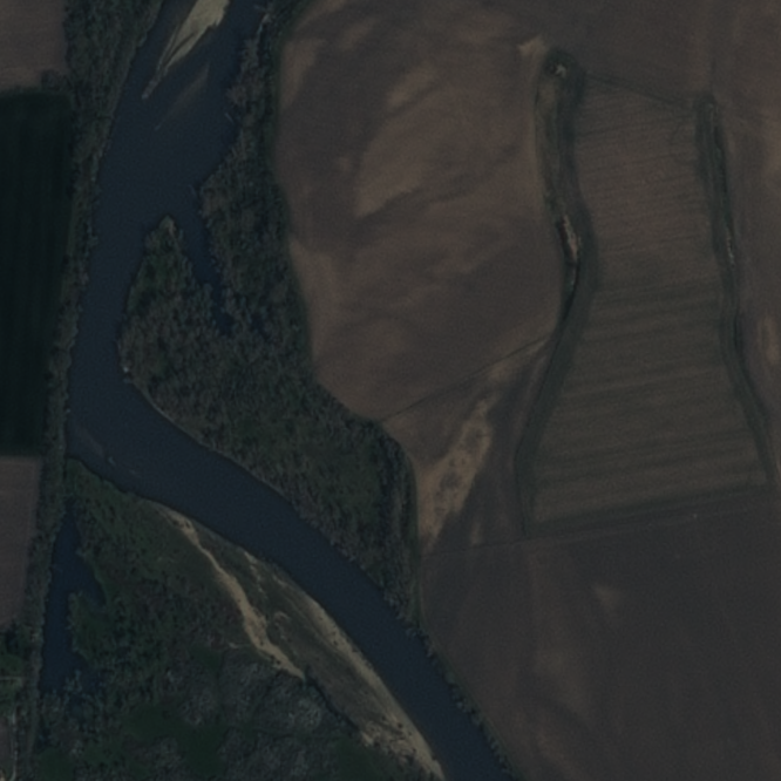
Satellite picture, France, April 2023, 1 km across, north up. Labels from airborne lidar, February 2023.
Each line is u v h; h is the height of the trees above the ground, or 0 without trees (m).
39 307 0
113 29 25
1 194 0
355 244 0
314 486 17
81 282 26
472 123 0
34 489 0
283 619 0
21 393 0
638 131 0
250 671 6
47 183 0
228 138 0
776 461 0
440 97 0
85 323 0
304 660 0
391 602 22
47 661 0
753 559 0
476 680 0
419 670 0
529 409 0
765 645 0
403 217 0
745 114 0
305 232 0
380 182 0
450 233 0
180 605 8
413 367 0
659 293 0
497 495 0
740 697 0
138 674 23
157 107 0
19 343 0
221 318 0
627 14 0
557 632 0
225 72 0
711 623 0
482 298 0
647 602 0
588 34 0
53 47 0
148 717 0
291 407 21
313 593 0
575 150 0
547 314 0
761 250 0
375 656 0
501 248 0
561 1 0
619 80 0
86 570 0
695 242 0
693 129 0
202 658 0
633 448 0
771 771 0
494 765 0
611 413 0
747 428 0
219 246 27
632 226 0
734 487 0
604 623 0
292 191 0
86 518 14
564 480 0
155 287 24
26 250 0
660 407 0
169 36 0
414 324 0
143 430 0
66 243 0
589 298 0
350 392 0
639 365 0
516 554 0
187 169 0
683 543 0
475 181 0
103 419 0
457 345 0
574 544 0
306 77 0
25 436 0
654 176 0
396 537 26
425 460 0
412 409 0
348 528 21
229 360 22
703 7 0
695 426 0
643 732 0
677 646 0
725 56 0
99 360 0
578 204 0
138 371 19
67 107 0
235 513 0
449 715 0
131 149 0
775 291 0
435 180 0
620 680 0
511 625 0
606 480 0
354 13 0
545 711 0
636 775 0
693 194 0
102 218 0
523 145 0
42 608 16
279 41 0
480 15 0
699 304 0
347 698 0
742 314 0
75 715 0
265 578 0
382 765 0
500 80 0
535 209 0
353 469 0
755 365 0
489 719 0
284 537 0
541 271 0
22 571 0
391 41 0
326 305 0
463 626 0
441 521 0
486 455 0
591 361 0
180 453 0
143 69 0
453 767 0
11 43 0
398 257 0
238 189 20
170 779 12
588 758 0
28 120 0
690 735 0
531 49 0
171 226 0
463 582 0
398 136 0
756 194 0
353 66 0
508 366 0
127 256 0
